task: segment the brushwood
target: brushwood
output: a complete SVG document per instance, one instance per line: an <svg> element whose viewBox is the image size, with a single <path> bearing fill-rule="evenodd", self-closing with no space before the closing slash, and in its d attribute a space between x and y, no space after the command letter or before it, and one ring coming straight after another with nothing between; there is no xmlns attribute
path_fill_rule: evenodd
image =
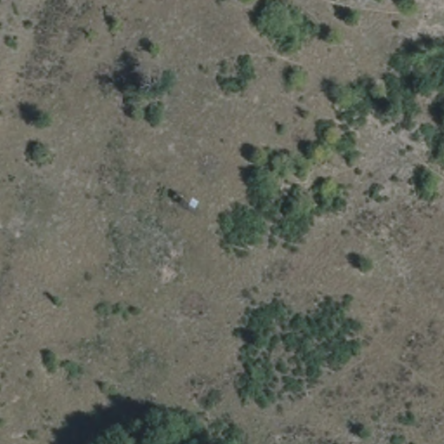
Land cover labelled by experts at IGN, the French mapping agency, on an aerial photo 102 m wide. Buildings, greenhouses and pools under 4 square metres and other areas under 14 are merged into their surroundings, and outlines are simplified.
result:
<svg viewBox="0 0 444 444"><path fill-rule="evenodd" d="M272 300L271 304L264 304L258 309L245 309L245 314L239 321L239 328L232 331L232 335L243 340L238 359L243 364L243 373L234 382L241 404L246 404L246 397L251 397L260 408L274 402L276 413L279 415L283 413L283 399L291 402L300 401L305 395L305 388L316 385L317 378L321 375L321 366L330 366L335 371L340 371L342 364L349 361L350 357L356 356L359 342L345 340L345 335L361 330L362 324L352 317L345 316L345 310L349 309L352 297L343 295L340 302L331 297L324 298L316 310L307 310L305 316L297 314L290 305L284 304L281 300Z"/></svg>
<svg viewBox="0 0 444 444"><path fill-rule="evenodd" d="M281 0L279 5L272 5L269 12L260 17L255 29L260 35L274 40L277 50L283 54L302 49L305 40L312 42L317 38L319 28L323 26L310 21L307 14L300 12L288 0Z"/></svg>
<svg viewBox="0 0 444 444"><path fill-rule="evenodd" d="M130 314L139 314L139 309L134 305L127 307L111 302L99 302L94 305L94 309L99 316L118 314L127 319Z"/></svg>
<svg viewBox="0 0 444 444"><path fill-rule="evenodd" d="M161 104L163 94L172 94L179 83L173 80L172 71L163 71L161 80L154 83L151 88L137 90L130 87L121 90L123 113L127 114L128 118L146 120L149 125L156 127L160 120L165 118L165 108Z"/></svg>
<svg viewBox="0 0 444 444"><path fill-rule="evenodd" d="M217 83L225 94L245 90L251 78L255 78L255 69L251 66L250 57L239 55L238 75L229 78L217 76Z"/></svg>
<svg viewBox="0 0 444 444"><path fill-rule="evenodd" d="M300 66L293 66L295 73L290 80L291 90L297 90L307 83L307 75Z"/></svg>
<svg viewBox="0 0 444 444"><path fill-rule="evenodd" d="M64 368L68 375L75 378L82 375L82 366L68 359L61 361L54 357L43 364L49 373L55 368Z"/></svg>
<svg viewBox="0 0 444 444"><path fill-rule="evenodd" d="M248 257L248 246L262 243L267 243L269 248L276 246L297 253L298 245L304 241L304 234L309 231L314 217L319 217L323 213L338 212L349 199L352 182L361 173L361 168L357 168L354 161L359 158L354 134L357 128L366 123L368 114L375 114L382 123L392 121L392 130L395 134L406 130L411 139L425 142L430 149L428 156L444 168L444 36L420 35L415 40L404 40L401 47L390 55L387 71L382 75L383 83L378 87L371 76L361 76L356 82L350 83L336 83L330 78L324 78L321 88L326 99L331 102L331 111L335 116L331 120L316 121L316 137L312 140L300 140L300 153L297 156L291 154L288 149L243 144L241 154L246 158L246 166L241 166L239 175L245 182L248 201L245 205L234 203L232 210L220 212L217 219L220 248L225 253L234 253L238 258L245 258Z"/></svg>

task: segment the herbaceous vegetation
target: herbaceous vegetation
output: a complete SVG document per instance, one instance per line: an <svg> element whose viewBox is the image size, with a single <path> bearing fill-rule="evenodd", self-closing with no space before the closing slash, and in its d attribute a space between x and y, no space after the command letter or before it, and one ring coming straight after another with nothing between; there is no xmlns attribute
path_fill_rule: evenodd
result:
<svg viewBox="0 0 444 444"><path fill-rule="evenodd" d="M288 0L300 12L307 14L310 21L323 26L319 28L317 38L312 42L305 40L302 49L283 54L277 50L274 40L260 35L255 29L260 17L269 12L272 5L279 5L281 0L0 0L0 444L95 444L97 437L106 434L109 428L116 425L121 427L125 421L137 420L142 415L151 415L156 404L191 411L191 415L203 428L210 425L213 420L219 420L224 413L229 413L232 421L241 428L243 444L444 444L444 168L428 156L430 149L425 142L411 139L406 130L395 134L392 130L392 121L382 123L375 114L368 114L366 123L357 128L354 134L359 158L354 161L357 168L361 168L361 173L352 182L349 199L338 212L323 213L319 217L314 217L309 231L304 234L304 241L298 245L297 253L276 246L269 248L267 243L262 243L248 246L248 257L245 258L238 258L234 253L225 253L220 248L217 219L220 212L232 210L234 203L245 205L248 201L245 182L239 175L241 166L246 166L246 158L241 154L243 144L288 149L291 154L297 156L300 153L300 140L312 140L316 137L316 121L331 120L335 116L331 111L331 102L326 99L321 88L324 78L330 78L336 83L350 83L356 82L361 76L371 76L378 87L383 83L382 75L387 71L390 55L401 47L404 40L415 40L420 35L444 36L444 0ZM250 57L251 66L255 69L255 78L251 78L245 90L225 94L217 83L217 76L229 78L238 75L239 55ZM307 75L307 83L297 90L291 90L290 80L295 73L293 66L300 66ZM163 94L161 104L165 108L165 118L160 120L156 127L149 125L146 120L128 118L127 114L123 113L121 90L130 87L137 90L151 88L154 83L161 80L163 71L172 71L173 80L179 83L172 94ZM290 305L297 314L305 316L307 310L316 310L324 298L331 297L340 302L343 295L352 297L349 309L345 310L345 316L352 317L362 324L361 330L345 335L345 340L359 342L356 356L350 357L349 361L342 364L340 371L335 371L330 366L321 366L321 375L317 378L316 385L305 388L305 395L300 401L291 402L283 399L283 413L279 415L276 413L274 402L260 408L251 397L246 397L246 404L241 404L234 382L243 373L243 364L238 359L243 340L232 335L232 331L239 328L239 321L245 314L245 309L258 309L264 304L271 304L272 300L281 300L284 304ZM118 314L99 316L94 309L94 305L99 302L111 302L127 307L134 305L139 309L139 314L130 314L127 319ZM61 361L68 359L82 366L82 375L75 378L68 375L64 368L55 368L49 373L43 364L54 357Z"/></svg>

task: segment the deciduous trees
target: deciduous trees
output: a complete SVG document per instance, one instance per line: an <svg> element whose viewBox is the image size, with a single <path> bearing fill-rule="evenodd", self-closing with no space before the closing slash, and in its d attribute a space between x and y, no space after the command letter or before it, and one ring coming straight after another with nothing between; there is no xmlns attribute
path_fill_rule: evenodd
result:
<svg viewBox="0 0 444 444"><path fill-rule="evenodd" d="M137 420L125 421L121 427L116 425L109 428L106 434L97 437L95 444L243 444L241 428L232 421L229 413L224 413L219 420L213 420L210 425L203 428L191 415L191 411L156 404L151 415L142 415Z"/></svg>

